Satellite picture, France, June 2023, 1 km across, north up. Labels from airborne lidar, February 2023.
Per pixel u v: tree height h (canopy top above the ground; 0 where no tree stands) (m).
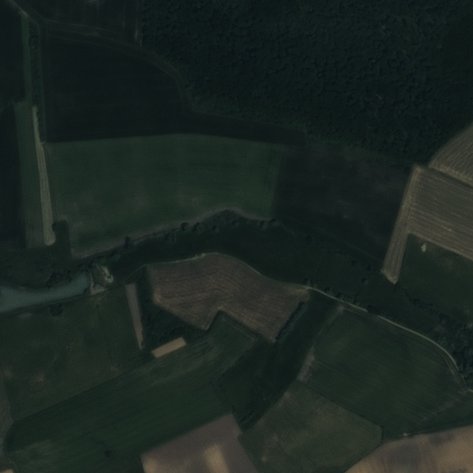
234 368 0
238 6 28
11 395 0
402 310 0
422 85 25
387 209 0
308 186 0
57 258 0
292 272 0
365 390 0
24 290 0
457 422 0
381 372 0
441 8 24
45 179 0
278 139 0
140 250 0
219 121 0
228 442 0
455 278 0
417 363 0
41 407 0
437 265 0
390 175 0
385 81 32
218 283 0
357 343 0
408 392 0
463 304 0
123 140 0
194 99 12
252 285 0
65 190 0
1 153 0
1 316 0
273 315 0
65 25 0
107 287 0
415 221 0
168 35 28
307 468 0
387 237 0
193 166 0
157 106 0
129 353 0
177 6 27
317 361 0
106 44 0
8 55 0
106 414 0
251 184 0
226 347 0
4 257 0
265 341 0
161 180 0
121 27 0
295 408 0
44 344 0
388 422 0
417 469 0
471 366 23
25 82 0
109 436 0
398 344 0
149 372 0
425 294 0
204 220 0
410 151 23
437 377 0
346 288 0
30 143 0
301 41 28
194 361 0
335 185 0
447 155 0
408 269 0
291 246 0
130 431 0
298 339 0
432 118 24
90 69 0
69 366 0
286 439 0
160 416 0
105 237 0
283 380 0
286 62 31
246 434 0
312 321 0
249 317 0
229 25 30
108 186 0
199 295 0
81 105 0
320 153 0
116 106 0
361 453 0
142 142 0
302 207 0
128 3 0
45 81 0
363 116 24
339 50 28
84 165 0
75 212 0
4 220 0
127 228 0
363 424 0
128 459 0
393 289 0
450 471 0
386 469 0
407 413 0
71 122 0
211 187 0
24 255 0
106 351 0
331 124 22
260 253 0
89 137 0
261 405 0
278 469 0
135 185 0
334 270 0
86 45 0
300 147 0
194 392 0
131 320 0
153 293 0
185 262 0
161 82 0
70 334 0
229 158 0
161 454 0
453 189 0
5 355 0
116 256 18
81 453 0
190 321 0
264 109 17
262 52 29
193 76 20
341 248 0
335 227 0
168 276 0
